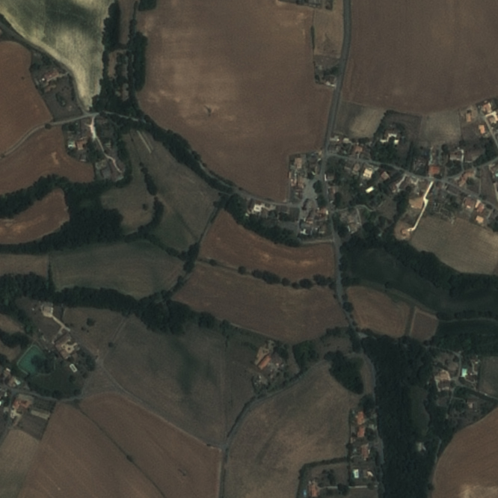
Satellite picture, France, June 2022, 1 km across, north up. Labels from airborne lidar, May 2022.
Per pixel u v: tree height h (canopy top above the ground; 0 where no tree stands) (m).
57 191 0
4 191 0
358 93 0
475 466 0
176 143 17
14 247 15
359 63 0
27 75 0
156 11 0
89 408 0
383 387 10
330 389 0
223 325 9
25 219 0
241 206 10
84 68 0
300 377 16
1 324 0
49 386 0
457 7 0
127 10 0
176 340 0
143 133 0
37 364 18
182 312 16
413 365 31
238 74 0
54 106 0
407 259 20
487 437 0
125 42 0
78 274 0
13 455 0
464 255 0
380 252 0
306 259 0
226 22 0
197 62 0
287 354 12
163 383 0
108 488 0
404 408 15
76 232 18
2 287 11
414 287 0
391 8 0
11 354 0
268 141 0
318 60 0
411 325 0
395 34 0
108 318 0
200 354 0
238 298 0
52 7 0
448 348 13
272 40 0
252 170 0
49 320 0
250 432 0
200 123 0
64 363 11
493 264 0
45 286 20
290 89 0
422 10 0
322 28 0
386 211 0
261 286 0
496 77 0
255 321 0
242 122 0
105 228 18
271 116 0
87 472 0
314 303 0
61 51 0
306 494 0
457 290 21
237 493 0
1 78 0
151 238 12
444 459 0
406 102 0
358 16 0
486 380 0
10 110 0
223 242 0
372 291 0
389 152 10
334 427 0
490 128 0
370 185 10
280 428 0
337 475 0
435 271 16
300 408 0
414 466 10
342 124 0
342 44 0
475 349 10
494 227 8
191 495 0
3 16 10
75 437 0
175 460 0
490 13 0
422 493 18
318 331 0
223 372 0
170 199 0
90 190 11
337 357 14
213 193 0
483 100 0
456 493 0
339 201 8
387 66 0
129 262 0
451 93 0
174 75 0
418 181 0
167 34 0
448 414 7
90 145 10
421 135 0
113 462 0
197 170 11
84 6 0
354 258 0
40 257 0
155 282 0
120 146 17
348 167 0
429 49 0
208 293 0
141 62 8
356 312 0
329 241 0
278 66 0
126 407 0
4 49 0
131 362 0
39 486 0
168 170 0
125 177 7
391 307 0
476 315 19
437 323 0
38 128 0
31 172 0
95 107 13
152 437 0
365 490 0
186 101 0
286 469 0
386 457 8
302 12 0
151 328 16
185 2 0
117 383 0
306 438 0
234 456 0
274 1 0
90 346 0
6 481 0
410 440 18
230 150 0
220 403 0
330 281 14
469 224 0
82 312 0
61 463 0
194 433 0
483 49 0
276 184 0
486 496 0
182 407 0
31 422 0
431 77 0
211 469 0
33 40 0
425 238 0
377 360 11
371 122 0
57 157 0
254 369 0
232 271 0
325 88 0
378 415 15
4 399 10
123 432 0
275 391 6
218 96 0
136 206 0
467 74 0
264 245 0
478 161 10
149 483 0
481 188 0
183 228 0
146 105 0
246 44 0
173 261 0
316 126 0
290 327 0
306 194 0
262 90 0
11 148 0
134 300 15
